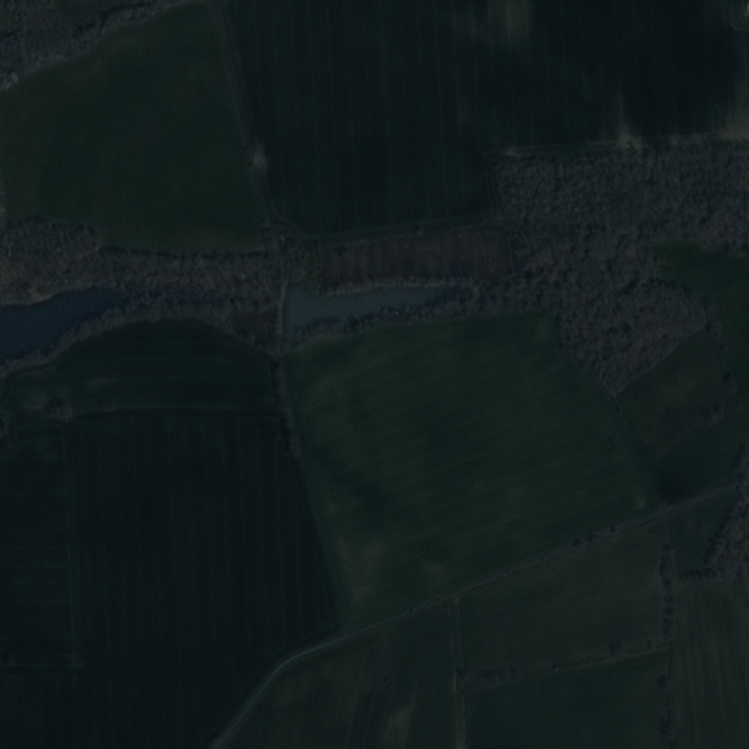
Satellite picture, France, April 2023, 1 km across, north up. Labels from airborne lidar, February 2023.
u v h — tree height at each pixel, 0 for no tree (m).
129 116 0
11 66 18
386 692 0
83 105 0
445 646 0
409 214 0
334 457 0
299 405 0
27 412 0
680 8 0
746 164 14
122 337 0
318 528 0
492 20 0
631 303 23
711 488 0
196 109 0
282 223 0
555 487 0
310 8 0
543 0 0
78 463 0
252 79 0
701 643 0
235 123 0
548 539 0
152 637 0
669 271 0
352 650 0
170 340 0
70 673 0
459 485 0
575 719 0
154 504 0
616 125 0
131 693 0
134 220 0
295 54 0
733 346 0
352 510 0
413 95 0
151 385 0
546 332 0
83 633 0
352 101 0
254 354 0
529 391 0
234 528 0
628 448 0
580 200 9
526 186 18
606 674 0
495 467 0
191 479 0
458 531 0
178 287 18
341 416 0
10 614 0
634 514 0
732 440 0
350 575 0
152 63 0
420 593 0
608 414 0
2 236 19
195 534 0
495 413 0
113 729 0
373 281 20
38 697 0
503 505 0
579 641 0
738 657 0
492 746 0
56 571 0
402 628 0
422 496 0
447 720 0
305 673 0
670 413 0
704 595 0
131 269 22
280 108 0
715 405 0
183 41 0
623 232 19
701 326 18
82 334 21
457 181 0
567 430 0
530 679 0
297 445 13
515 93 0
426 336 0
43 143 0
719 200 18
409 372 0
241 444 0
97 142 0
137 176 0
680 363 0
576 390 0
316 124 0
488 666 0
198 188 0
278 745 0
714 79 0
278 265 22
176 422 0
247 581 0
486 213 0
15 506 0
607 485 0
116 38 0
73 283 18
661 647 0
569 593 0
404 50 0
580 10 0
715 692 0
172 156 0
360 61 0
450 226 0
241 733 0
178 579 0
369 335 0
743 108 0
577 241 16
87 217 0
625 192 14
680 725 0
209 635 0
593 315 24
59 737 0
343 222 0
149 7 10
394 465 0
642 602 0
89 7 0
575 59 0
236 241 0
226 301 18
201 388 0
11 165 0
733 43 0
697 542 0
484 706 0
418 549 0
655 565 0
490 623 0
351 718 0
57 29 12
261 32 0
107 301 0
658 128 0
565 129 0
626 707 0
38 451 0
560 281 6
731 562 15
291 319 0
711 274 0
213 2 0
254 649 0
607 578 0
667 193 19
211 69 0
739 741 0
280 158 0
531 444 0
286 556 0
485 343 0
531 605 0
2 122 0
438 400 0
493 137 0
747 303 0
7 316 0
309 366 0
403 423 0
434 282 19
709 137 0
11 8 24
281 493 0
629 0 0
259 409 0
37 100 0
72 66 0
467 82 0
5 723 0
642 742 0
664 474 0
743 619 0
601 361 11
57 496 0
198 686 0
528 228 12
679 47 0
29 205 0
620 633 0
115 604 0
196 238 0
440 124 0
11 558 0
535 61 0
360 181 0
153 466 0
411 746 0
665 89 0
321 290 7
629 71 0
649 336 23
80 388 0
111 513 0
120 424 0
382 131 0
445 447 0
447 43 0
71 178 0
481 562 0
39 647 0
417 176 0
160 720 0
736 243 17
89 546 0
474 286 12
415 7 0
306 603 0
